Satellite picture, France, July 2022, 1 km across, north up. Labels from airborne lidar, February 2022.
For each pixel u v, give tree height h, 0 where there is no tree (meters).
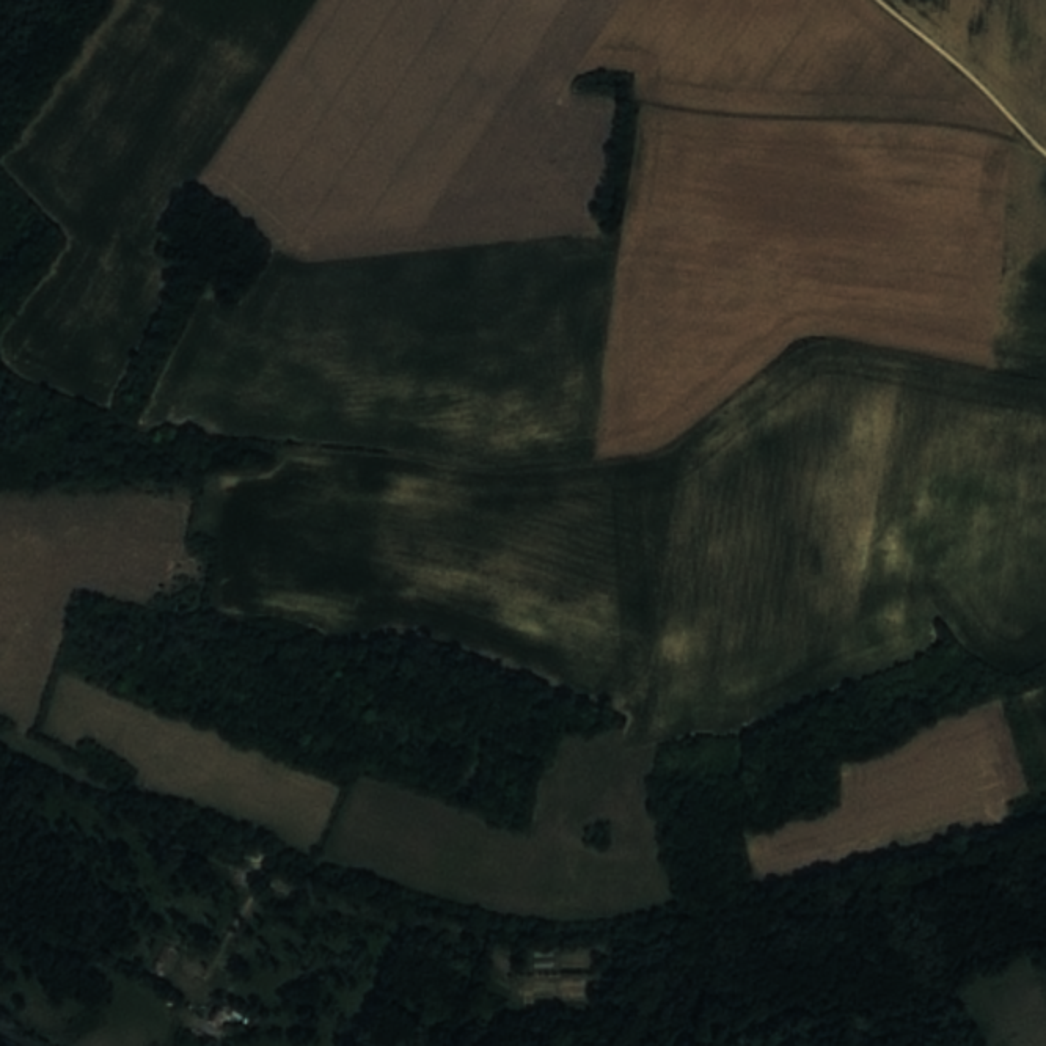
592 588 0
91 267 0
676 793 7
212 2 0
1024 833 22
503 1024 18
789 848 0
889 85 0
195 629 9
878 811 0
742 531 0
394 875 0
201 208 19
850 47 0
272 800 0
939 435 0
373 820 0
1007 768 0
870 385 0
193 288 18
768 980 25
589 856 0
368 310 0
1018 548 0
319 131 0
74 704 0
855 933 20
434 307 0
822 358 0
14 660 0
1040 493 0
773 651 0
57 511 0
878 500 0
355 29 0
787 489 0
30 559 0
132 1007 0
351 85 0
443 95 0
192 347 0
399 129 0
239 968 23
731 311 0
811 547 0
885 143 0
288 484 0
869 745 17
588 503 0
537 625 0
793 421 0
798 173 0
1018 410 0
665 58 0
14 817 24
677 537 0
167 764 0
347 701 18
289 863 11
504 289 0
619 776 0
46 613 0
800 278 0
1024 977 0
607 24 0
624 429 0
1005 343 0
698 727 0
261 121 0
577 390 0
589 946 11
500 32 0
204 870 22
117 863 27
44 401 7
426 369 0
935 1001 19
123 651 20
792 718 17
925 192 0
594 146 0
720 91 0
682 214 0
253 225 14
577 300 0
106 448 7
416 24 0
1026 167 0
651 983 26
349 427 0
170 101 0
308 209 0
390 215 0
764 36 0
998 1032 0
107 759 7
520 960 15
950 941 22
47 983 21
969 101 0
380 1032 23
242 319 0
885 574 0
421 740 15
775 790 20
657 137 0
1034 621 0
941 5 0
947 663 6
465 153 0
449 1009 20
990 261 0
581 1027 17
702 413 0
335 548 0
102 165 0
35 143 0
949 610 0
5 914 17
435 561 0
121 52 0
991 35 0
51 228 17
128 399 8
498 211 0
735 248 0
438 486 0
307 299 0
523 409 0
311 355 0
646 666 0
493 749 18
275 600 0
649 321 0
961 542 0
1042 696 0
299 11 0
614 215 7
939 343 0
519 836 13
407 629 0
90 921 20
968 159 0
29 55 22
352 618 0
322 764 19
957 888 21
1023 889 17
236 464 13
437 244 0
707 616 0
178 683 16
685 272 0
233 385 0
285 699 15
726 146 0
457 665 19
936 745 0
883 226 0
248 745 18
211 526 0
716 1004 27
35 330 0
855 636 0
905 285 0
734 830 21
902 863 19
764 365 0
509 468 0
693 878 21
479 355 0
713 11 0
